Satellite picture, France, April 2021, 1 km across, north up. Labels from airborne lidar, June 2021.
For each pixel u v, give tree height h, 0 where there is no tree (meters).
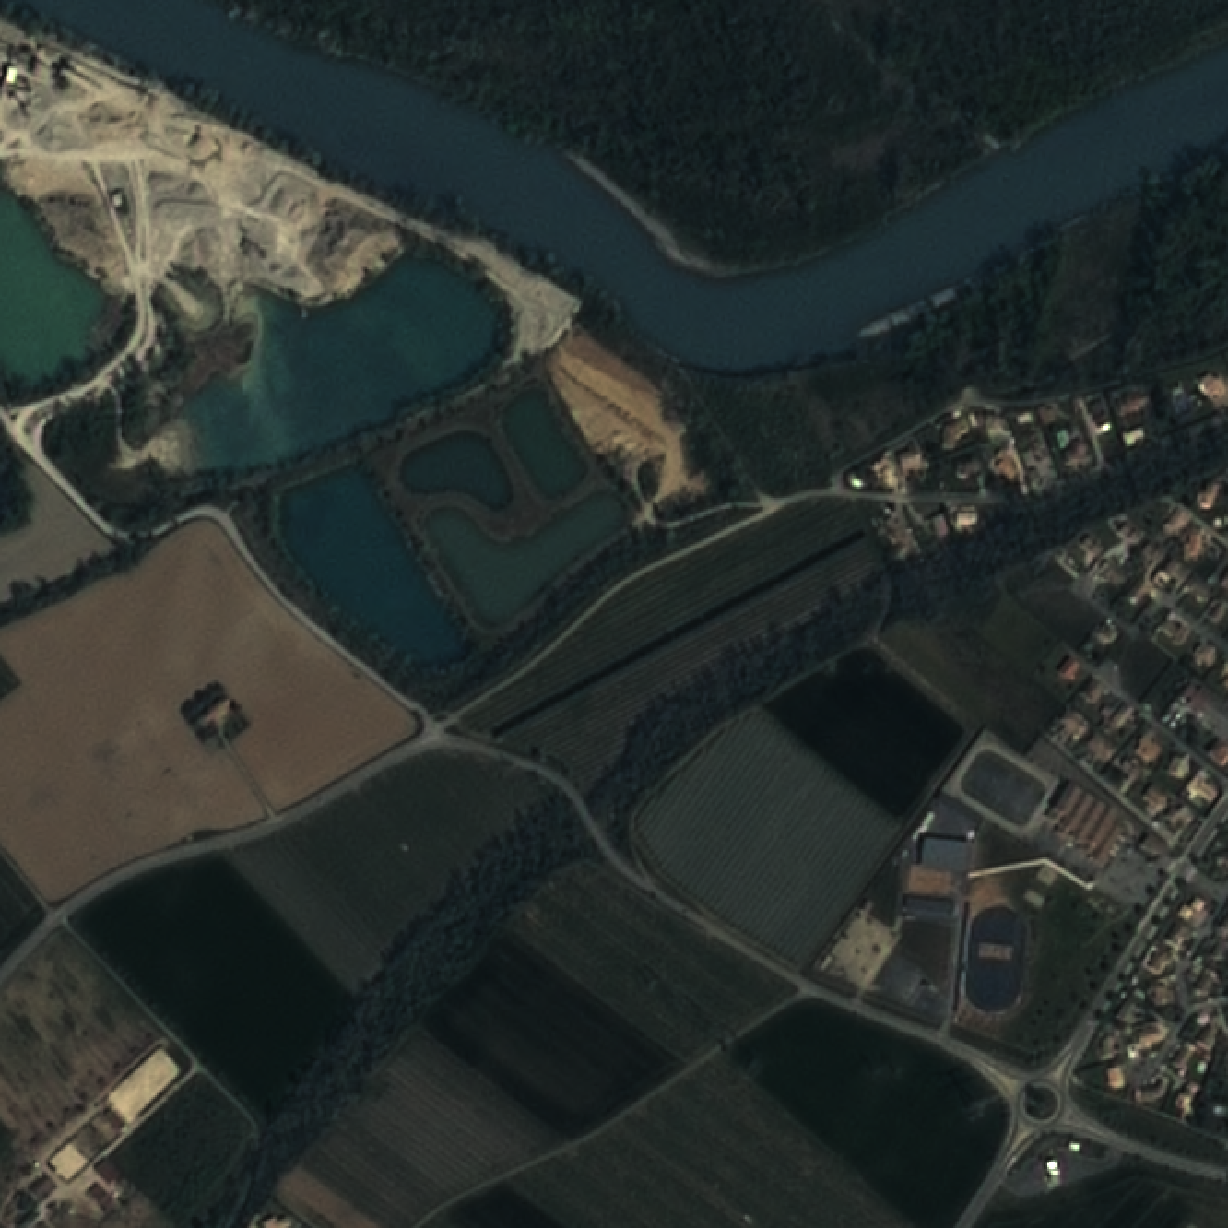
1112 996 8
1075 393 10
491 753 0
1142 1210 0
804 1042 0
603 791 11
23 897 0
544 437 0
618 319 7
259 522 11
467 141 0
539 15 11
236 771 0
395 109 0
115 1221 0
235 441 0
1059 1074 0
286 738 0
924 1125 0
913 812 0
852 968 0
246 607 0
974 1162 0
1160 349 13
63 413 14
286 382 0
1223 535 7
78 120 0
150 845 0
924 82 14
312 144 0
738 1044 0
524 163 0
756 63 16
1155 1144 6
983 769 0
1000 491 10
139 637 0
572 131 13
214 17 0
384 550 0
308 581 12
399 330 0
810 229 17
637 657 9
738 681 12
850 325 0
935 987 0
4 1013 0
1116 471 14
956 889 0
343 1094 10
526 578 0
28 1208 10
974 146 22
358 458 12
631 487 15
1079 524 11
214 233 0
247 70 0
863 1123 0
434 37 14
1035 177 0
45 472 0
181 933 0
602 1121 0
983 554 15
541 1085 0
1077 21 11
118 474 0
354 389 0
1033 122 9
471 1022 0
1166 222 32
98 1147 0
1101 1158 0
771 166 17
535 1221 0
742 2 16
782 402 8
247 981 0
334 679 0
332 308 0
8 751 0
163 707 0
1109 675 0
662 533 10
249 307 0
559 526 0
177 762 0
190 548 0
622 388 0
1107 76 6
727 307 0
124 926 0
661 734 13
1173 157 0
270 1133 9
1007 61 16
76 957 0
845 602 19
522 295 0
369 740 0
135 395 15
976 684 0
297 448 0
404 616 0
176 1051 0
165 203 0
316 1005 0
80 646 0
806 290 0
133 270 0
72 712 0
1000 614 0
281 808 0
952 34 11
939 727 0
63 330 0
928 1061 0
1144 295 10
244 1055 0
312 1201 0
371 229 0
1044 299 14
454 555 0
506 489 0
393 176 0
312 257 0
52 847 0
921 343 19
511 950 0
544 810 8
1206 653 0
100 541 0
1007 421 5
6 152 0
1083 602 0
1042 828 0
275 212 0
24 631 0
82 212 0
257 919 0
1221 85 0
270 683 0
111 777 0
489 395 6
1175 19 7
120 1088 0
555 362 0
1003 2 12
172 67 0
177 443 0
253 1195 8
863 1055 0
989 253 0
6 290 0
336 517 0
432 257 7
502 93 19
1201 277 33
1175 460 12
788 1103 0
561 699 8
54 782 0
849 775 0
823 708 0
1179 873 0
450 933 15
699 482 0
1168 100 0
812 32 6
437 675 13
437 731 0
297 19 8
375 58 6
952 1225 0
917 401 9
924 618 46
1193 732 12
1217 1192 0
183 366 12
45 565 0
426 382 0
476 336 0
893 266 0
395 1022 14
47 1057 0
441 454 0
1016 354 21
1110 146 0
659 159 30
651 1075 0
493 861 10
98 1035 0
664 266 0
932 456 8
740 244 15
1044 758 0
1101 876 0
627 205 0
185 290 0
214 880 0
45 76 0
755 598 8
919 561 9
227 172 0
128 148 0
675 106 9
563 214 0
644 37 7
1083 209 0
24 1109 0
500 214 0
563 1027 0
